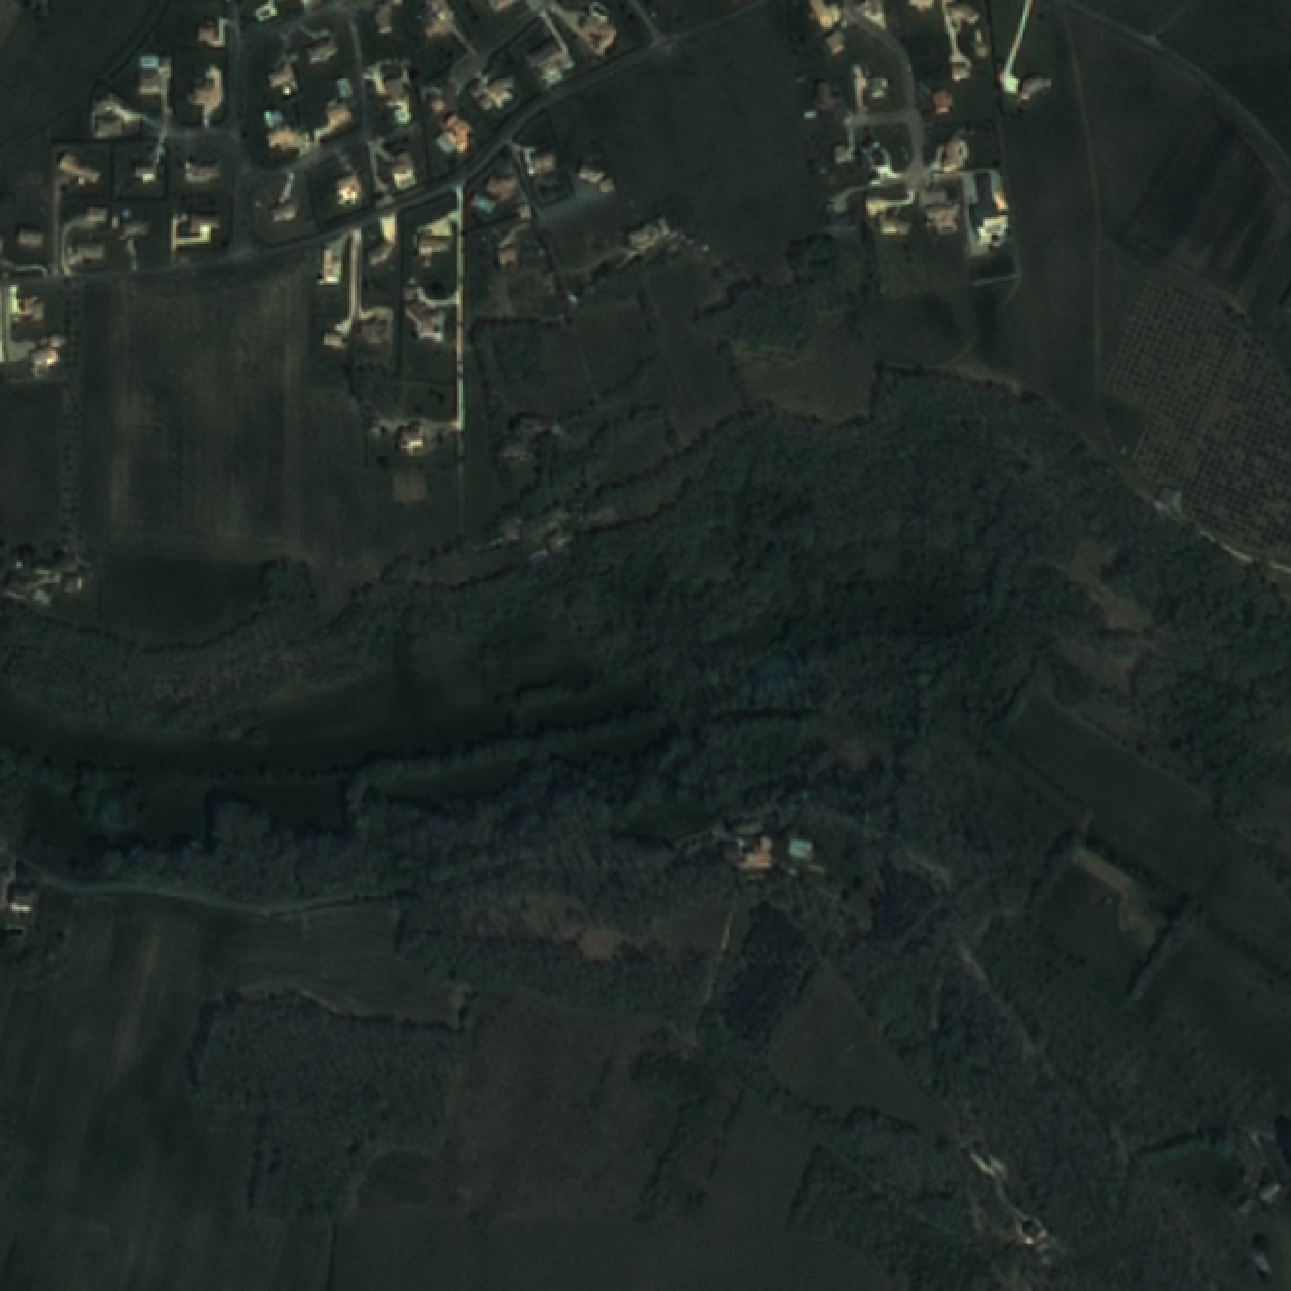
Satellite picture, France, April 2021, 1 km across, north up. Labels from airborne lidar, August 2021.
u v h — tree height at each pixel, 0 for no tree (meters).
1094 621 10
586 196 0
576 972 16
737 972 11
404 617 19
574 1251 0
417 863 18
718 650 17
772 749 13
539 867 16
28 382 0
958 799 12
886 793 19
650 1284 0
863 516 21
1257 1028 0
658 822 0
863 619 14
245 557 0
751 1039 12
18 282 0
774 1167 0
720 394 0
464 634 24
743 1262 0
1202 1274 14
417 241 0
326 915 0
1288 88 0
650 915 14
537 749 19
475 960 17
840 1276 0
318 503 0
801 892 15
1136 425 0
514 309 0
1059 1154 19
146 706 14
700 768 20
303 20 0
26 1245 0
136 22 0
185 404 0
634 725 9
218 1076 15
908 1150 17
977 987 25
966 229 0
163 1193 0
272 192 0
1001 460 14
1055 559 20
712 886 16
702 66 0
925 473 27
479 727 0
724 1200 0
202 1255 0
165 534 0
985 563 23
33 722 0
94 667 18
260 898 13
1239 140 0
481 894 10
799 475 24
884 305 0
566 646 0
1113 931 0
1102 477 16
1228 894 0
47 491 0
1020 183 0
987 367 0
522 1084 0
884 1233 13
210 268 0
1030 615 12
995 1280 7
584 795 25
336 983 0
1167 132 0
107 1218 0
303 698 0
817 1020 0
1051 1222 12
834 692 22
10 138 0
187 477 0
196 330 0
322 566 0
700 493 16
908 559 12
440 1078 18
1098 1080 13
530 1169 0
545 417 0
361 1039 17
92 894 0
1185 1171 0
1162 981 0
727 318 17
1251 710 19
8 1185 0
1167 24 0
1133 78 0
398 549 0
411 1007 0
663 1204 6
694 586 9
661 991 17
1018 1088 21
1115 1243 11
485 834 19
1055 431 16
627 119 0
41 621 9
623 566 16
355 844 20
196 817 0
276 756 0
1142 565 21
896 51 0
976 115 0
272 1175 13
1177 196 0
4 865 8
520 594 14
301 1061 19
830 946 12
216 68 0
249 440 0
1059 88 0
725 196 0
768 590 25
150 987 0
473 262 0
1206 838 0
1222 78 0
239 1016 17
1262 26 0
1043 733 0
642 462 0
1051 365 0
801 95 0
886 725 15
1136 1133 13
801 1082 0
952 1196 9
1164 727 9
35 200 0
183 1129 0
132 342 0
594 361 0
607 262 0
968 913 25
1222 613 24
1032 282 0
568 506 6
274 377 0
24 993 0
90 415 0
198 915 0
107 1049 0
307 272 0
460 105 7
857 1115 7
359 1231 0
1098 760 0
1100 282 0
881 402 14
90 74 0
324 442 0
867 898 0
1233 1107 12
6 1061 0
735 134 0
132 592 0
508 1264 0
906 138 0
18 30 0
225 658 13
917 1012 22
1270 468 6
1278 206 0
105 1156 0
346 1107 17
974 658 11
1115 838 0
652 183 0
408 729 0
